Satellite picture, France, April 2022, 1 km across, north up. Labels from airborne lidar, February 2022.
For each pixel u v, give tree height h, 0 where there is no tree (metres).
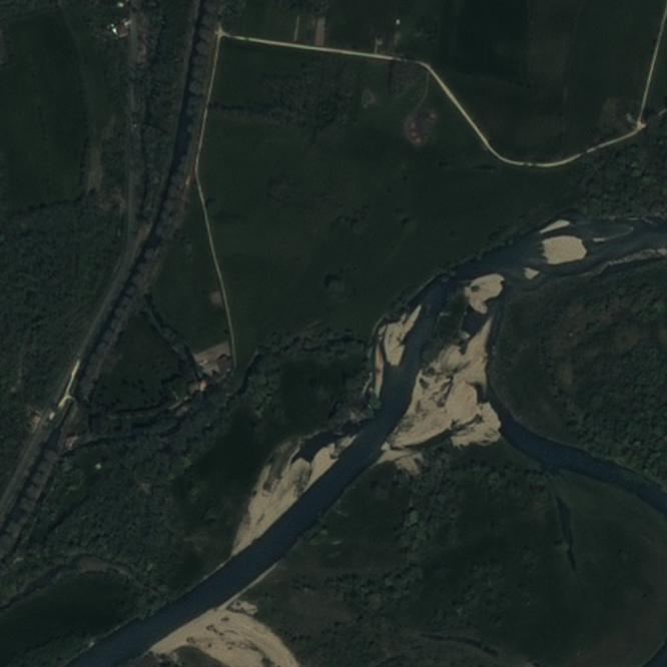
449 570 11
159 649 0
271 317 0
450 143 0
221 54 0
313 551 0
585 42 0
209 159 0
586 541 0
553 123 0
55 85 0
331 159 0
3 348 18
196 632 0
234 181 0
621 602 0
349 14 0
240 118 11
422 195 0
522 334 0
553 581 0
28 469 0
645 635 0
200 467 0
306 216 0
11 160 0
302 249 0
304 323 0
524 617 0
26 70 0
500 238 10
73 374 0
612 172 21
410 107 0
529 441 0
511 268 0
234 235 0
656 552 0
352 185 0
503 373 0
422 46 0
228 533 0
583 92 0
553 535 0
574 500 0
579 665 0
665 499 0
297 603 0
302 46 0
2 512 0
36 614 0
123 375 0
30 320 23
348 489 0
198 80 25
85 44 0
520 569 0
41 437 0
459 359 0
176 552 0
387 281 0
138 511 20
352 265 0
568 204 0
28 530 15
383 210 0
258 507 0
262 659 0
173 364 0
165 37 14
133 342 0
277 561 0
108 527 22
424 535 18
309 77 10
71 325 22
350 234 0
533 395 0
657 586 0
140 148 24
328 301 0
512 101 0
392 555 0
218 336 0
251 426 0
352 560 0
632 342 0
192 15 22
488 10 0
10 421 25
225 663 0
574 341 0
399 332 0
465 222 0
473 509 0
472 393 0
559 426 0
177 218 23
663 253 0
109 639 0
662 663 0
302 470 0
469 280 8
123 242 0
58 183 0
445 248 0
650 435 14
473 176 0
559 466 0
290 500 0
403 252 0
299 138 0
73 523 21
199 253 0
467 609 11
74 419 0
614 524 0
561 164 0
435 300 0
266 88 14
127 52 0
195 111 19
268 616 0
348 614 0
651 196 16
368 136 0
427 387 15
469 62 0
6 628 0
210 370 0
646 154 0
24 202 0
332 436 0
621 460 9
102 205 23
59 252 19
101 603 0
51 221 24
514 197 0
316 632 0
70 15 0
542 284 0
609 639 0
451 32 0
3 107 0
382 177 0
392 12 0
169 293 0
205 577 0
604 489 0
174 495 0
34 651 6
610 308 8
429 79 0
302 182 0
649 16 0
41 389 8
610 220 0
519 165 0
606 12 0
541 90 0
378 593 12
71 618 0
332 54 0
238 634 0
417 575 14
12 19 8
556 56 0
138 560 20
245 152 0
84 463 0
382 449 0
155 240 0
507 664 0
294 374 0
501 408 0
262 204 0
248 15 0
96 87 0
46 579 0
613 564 0
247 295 0
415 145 0
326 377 0
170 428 15
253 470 0
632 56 0
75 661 0
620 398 15
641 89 0
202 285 0
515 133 0
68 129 0
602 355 0
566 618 0
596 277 0
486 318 0
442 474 11
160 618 0
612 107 0
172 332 18
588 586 0
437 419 0
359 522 0
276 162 0
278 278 0
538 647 0
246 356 0
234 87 0
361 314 0
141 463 26
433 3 0
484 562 0
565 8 0
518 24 0
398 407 0
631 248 0
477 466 15
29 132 0
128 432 30
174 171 0
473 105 0
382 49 0
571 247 0
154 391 0
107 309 0
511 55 0
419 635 0
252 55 0
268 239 0
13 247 24
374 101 0
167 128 0
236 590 0
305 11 0
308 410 0
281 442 0
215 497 0
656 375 10
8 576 14
